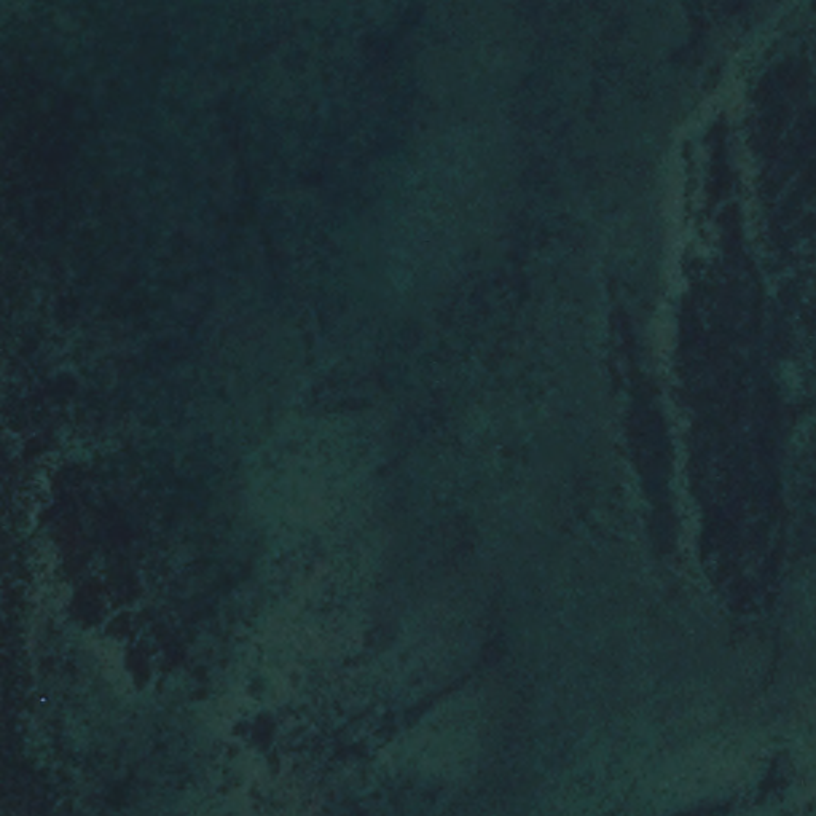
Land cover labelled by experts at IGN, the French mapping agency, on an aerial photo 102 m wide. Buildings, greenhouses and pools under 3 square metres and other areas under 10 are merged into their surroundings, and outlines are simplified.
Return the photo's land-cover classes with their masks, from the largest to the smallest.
<instances>
[{"label":"water","instance_id":"1","mask_svg":"<svg viewBox=\"0 0 816 816\"><path fill-rule=\"evenodd\" d=\"M0 816H816V0H0Z\"/></svg>","mask_w":816,"mask_h":816}]
</instances>
